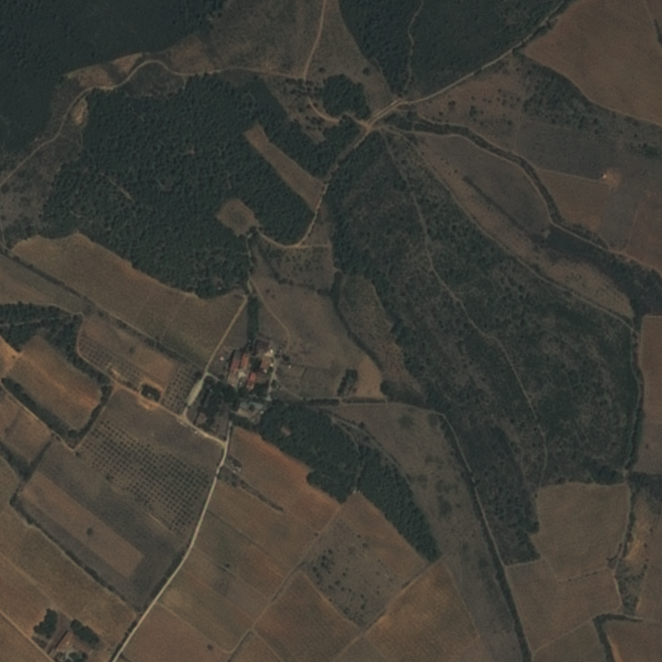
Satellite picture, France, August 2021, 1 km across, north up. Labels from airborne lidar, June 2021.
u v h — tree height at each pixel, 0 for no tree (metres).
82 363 9
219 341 0
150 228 8
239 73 0
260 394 9
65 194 9
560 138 0
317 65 0
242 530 0
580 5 0
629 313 0
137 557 0
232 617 0
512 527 8
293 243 10
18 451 0
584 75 0
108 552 0
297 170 0
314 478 10
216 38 0
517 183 0
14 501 7
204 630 0
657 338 0
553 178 0
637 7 0
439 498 0
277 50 0
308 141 11
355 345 0
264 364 0
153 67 0
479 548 0
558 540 0
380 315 0
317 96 9
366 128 0
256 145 0
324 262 0
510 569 0
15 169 0
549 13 6
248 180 6
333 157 11
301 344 0
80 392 0
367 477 10
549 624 0
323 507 0
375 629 0
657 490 0
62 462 0
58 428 8
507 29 7
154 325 0
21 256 0
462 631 0
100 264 0
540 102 6
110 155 10
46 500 0
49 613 8
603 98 0
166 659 0
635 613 0
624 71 0
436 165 0
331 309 0
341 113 9
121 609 0
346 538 0
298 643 0
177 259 9
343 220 10
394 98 0
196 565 0
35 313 8
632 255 0
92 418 6
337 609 0
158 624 0
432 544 17
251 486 0
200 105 10
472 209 0
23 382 0
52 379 0
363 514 0
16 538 0
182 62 0
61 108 0
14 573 0
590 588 0
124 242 7
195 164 11
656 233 0
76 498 0
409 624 0
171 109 9
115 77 0
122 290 0
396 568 0
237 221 0
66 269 0
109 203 8
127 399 0
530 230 0
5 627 0
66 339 7
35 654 0
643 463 0
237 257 8
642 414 13
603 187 0
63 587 0
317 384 0
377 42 11
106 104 9
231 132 10
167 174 14
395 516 8
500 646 0
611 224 0
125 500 0
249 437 0
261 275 0
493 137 0
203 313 0
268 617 0
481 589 0
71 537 0
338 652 0
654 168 0
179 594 0
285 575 0
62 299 0
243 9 0
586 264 0
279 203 7
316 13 0
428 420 0
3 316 9
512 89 0
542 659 0
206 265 9
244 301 0
